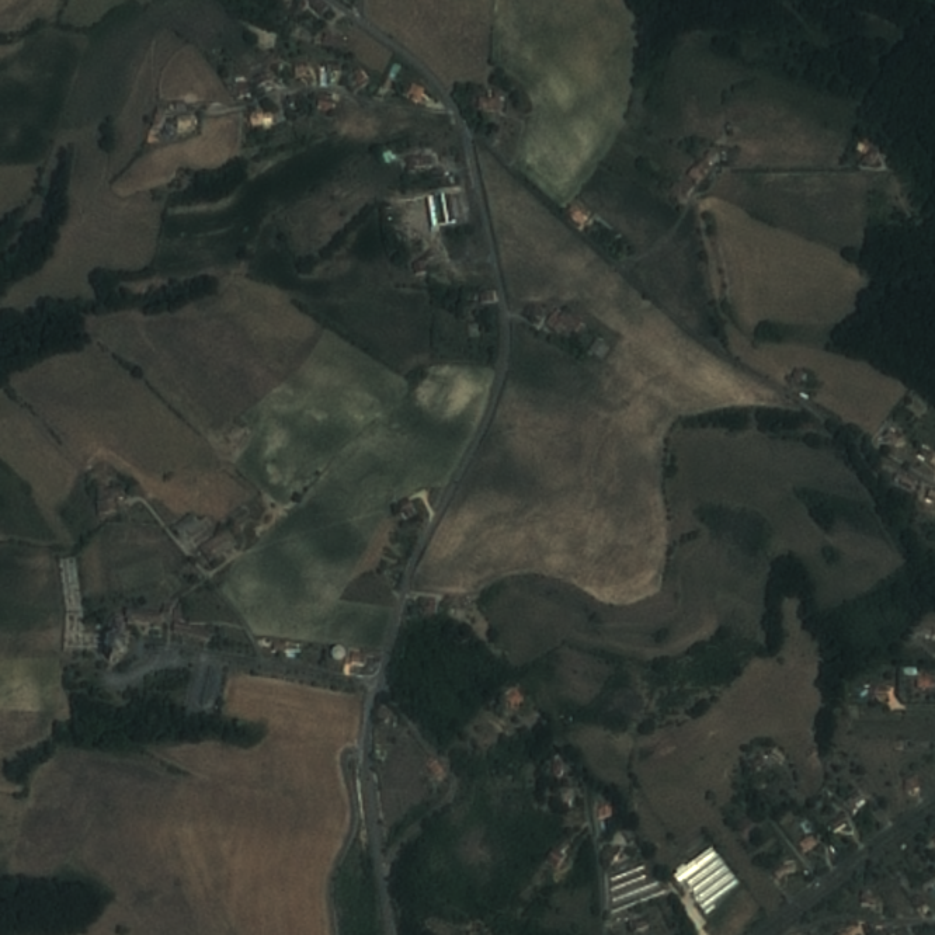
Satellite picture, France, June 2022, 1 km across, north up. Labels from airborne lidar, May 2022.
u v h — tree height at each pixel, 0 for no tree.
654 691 6
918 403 0
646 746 0
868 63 19
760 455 0
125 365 8
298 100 9
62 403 0
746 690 0
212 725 18
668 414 0
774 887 0
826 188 0
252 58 0
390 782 0
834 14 14
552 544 0
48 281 0
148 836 0
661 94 0
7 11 0
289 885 0
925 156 12
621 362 0
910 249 21
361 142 0
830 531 10
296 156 0
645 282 0
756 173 6
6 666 0
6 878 12
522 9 0
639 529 0
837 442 12
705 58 0
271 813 0
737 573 0
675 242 0
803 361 0
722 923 0
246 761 0
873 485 12
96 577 0
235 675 0
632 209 0
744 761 8
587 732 0
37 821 0
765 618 12
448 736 7
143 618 0
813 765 0
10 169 0
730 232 0
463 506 0
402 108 0
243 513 0
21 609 0
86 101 0
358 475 0
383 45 0
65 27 8
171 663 0
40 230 20
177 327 0
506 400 0
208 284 19
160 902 0
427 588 0
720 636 12
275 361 0
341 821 0
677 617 0
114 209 0
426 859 7
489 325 10
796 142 0
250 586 0
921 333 25
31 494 0
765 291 0
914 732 0
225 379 0
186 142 0
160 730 19
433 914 8
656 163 0
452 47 0
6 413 0
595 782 10
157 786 0
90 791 0
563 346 8
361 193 0
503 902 6
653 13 30
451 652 6
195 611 0
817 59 14
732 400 0
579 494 0
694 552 0
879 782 0
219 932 0
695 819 0
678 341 0
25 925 18
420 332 0
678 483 0
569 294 0
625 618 0
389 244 7
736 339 0
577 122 0
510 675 9
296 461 0
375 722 6
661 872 14
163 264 0
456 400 0
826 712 14
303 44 9
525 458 0
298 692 0
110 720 17
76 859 0
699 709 17
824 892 0
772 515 0
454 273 0
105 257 0
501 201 0
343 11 0
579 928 9
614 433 0
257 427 0
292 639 0
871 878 13
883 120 20
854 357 13
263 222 0
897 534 6
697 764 0
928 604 9
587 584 0
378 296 0
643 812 0
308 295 0
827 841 10
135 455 0
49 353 14
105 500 0
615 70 0
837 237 0
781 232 0
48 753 23
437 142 0
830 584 0
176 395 0
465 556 0
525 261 0
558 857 0
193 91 0
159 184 0
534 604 0
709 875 0
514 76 0
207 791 0
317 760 0
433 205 0
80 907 24
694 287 0
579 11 0
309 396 0
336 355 0
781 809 15
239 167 17
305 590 0
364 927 6
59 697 0
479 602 6
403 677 8
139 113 0
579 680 0
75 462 0
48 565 0
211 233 0
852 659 12
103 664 7
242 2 9
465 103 9
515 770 6
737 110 0
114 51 0
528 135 0
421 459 0
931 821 15
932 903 0
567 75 0
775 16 9
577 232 0
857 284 0
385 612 0
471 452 0
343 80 6
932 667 13
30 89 0
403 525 13
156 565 0
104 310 11
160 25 0
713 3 18
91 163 0
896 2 15
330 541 0
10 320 28
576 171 0
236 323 0
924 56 21
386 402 0
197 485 0
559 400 0
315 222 0
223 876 0
